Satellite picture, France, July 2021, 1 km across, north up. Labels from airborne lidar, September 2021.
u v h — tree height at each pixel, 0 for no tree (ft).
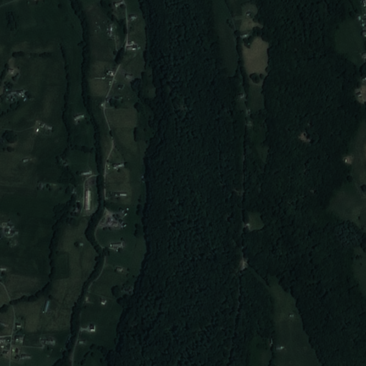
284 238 81
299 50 28
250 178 58
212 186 75
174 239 96
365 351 90
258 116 28
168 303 79
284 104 81
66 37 0
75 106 0
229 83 66
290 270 29
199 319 82
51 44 0
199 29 94
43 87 0
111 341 0
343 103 114
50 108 0
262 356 0
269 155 38
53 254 57
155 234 116
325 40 72
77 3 68
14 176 0
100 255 34
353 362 112
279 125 103
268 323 73
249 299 53
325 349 118
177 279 95
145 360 96
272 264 103
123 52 59
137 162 0
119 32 0
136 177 0
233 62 0
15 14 37
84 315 0
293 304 0
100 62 0
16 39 0
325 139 116
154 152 62
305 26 88
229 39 0
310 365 0
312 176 109
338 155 86
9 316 0
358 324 100
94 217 64
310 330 91
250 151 71
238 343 80
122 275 0
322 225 33
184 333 101
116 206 0
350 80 91
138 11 0
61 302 0
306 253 98
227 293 66
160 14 104
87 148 70
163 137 65
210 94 93
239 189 82
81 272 0
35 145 0
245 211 69
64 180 24
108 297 0
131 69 0
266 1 95
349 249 31
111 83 0
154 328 104
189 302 98
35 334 0
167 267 111
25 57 0
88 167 0
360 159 0
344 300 108
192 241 82
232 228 76
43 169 0
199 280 88
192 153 68
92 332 0
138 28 0
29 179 0
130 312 101
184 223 92
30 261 0
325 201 79
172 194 91
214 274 85
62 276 0
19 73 33
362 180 0
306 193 102
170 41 96
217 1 0
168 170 102
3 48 0
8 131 48
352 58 0
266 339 25
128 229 0
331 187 94
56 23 0
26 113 0
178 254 101
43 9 0
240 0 0
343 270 94
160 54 31
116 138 0
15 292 0
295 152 112
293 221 89
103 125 0
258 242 93
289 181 99
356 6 27
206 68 91
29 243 0
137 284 56
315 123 113
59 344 0
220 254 82
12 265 0
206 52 99
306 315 81
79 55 0
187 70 90
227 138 91
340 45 0
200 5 88
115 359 100
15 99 23
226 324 80
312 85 81
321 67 113
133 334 21
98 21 0
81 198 0
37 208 0
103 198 60
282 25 70
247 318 35
